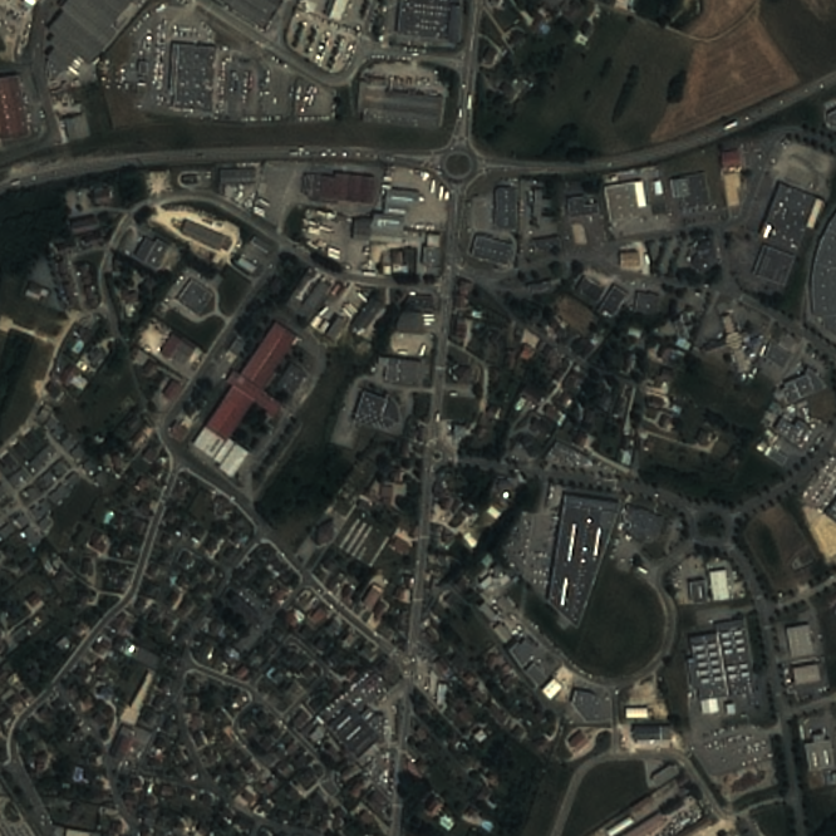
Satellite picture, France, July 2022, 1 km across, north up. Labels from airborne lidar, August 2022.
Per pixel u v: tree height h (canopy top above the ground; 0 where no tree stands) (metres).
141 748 0
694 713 0
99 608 6
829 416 0
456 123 0
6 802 0
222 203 0
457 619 6
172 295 0
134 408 8
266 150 0
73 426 0
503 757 20
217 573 7
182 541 0
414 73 0
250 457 0
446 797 6
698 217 0
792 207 0
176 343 0
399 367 0
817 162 0
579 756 0
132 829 0
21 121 0
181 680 0
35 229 8
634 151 0
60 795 6
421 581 0
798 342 0
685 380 0
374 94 0
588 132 0
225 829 15
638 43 0
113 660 0
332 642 5
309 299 0
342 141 0
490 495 6
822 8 0
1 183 0
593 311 7
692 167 0
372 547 0
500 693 10
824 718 0
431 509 0
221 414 0
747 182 0
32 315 0
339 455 9
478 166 0
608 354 17
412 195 0
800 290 0
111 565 7
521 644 0
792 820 8
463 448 7
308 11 0
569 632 0
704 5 0
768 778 0
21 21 0
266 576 8
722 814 0
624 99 6
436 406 0
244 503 0
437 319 0
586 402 19
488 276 0
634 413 10
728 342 0
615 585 0
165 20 0
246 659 6
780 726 0
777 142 0
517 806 8
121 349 10
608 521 0
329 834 9
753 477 0
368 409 0
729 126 0
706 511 0
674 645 0
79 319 0
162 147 0
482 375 0
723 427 8
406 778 18
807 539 0
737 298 0
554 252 12
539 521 0
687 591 0
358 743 0
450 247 0
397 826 0
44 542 9
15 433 0
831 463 0
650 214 0
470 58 0
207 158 0
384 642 0
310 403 0
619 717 0
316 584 0
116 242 0
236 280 0
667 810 12
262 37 0
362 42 0
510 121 8
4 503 0
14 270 11
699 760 0
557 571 0
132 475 8
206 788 0
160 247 0
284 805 0
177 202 0
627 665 0
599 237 0
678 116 0
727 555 7
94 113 0
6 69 0
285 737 0
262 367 0
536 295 6
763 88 0
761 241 0
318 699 6
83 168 0
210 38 0
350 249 0
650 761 0
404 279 11
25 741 11
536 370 8
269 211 0
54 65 0
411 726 0
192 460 0
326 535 0
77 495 0
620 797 0
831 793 0
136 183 8
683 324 0
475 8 0
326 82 0
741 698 0
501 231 0
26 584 0
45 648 11
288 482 0
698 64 0
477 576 0
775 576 0
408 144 0
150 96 0
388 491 0
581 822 0
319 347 0
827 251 0
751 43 0
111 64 0
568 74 0
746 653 0
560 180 6
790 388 0
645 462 0
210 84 0
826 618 0
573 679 0
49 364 0
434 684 0
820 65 0
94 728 0
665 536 0
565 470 6
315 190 0
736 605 0
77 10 0
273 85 0
